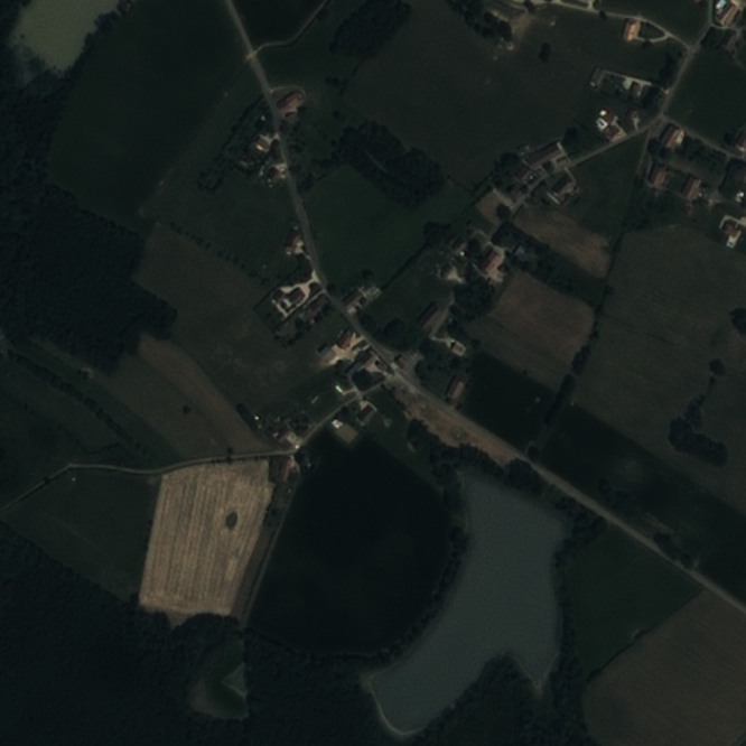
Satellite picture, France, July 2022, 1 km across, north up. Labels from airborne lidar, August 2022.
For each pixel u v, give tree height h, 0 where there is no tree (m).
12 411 0
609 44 0
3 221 23
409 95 0
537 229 0
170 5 0
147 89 0
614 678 0
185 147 0
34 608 12
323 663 22
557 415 15
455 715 19
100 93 0
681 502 0
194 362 0
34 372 12
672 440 12
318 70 0
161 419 0
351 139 16
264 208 0
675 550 16
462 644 0
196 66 0
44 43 0
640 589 0
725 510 0
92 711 15
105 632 17
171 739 13
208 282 0
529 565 0
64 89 14
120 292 10
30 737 8
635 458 0
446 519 0
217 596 0
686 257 0
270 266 0
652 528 0
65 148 0
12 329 22
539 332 0
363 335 0
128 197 0
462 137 0
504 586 0
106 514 0
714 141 0
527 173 0
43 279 11
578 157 8
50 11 0
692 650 0
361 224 0
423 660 0
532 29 0
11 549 20
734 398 0
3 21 17
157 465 0
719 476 0
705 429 0
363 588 0
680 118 0
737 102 0
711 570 0
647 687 0
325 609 0
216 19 0
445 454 14
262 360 0
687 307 0
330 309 13
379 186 16
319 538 0
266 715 20
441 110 0
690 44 0
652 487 0
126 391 0
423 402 0
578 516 13
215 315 0
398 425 0
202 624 19
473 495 0
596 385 0
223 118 0
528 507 0
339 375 7
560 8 0
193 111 0
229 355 0
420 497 0
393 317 0
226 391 0
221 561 0
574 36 0
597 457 0
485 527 0
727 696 0
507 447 0
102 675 13
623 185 0
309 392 0
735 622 0
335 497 0
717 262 0
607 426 0
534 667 0
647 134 0
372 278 13
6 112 26
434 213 0
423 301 0
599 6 0
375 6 18
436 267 0
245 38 0
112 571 0
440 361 14
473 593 0
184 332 0
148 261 0
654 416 0
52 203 12
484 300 13
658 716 0
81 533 0
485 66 0
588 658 0
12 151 25
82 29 0
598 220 0
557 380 0
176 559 0
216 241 0
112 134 0
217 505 0
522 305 0
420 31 0
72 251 12
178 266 0
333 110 0
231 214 0
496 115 0
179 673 18
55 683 12
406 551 0
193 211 0
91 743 14
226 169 6
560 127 0
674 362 0
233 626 9
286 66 0
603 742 0
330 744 16
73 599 15
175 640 19
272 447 0
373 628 0
